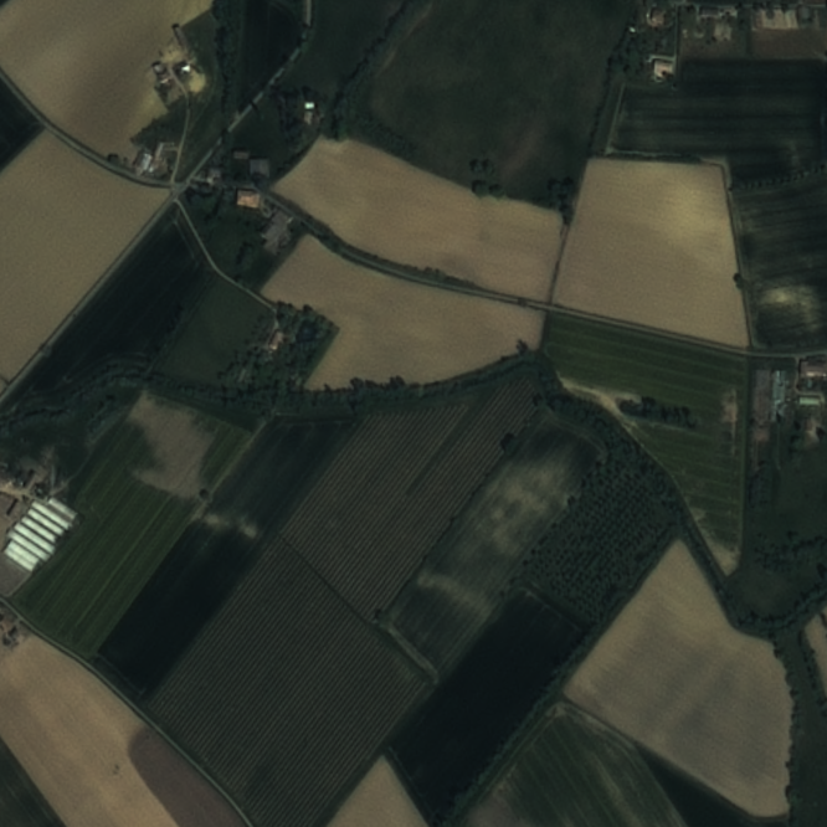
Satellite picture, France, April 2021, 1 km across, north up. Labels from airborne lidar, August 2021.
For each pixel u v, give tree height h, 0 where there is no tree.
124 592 0
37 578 0
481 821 0
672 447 0
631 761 0
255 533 0
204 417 0
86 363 0
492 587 0
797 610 10
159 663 0
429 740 0
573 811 0
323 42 0
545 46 0
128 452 0
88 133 0
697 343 0
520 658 0
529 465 0
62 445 0
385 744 0
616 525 15
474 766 0
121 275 0
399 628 0
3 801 0
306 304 0
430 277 9
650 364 0
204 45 0
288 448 0
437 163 0
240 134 0
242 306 0
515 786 0
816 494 0
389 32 9
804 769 0
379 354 0
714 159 0
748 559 0
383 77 0
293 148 13
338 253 13
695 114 0
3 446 0
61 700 0
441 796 0
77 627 0
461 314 0
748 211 0
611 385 0
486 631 0
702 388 0
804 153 0
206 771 0
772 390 0
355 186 0
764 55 0
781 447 0
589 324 0
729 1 0
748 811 0
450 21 0
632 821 0
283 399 16
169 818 0
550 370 0
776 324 0
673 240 0
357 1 0
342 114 11
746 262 0
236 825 0
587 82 0
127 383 9
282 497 0
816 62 0
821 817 0
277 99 7
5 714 0
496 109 0
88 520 0
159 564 0
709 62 0
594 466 0
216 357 0
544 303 0
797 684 7
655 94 0
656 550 12
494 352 0
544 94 0
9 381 0
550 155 0
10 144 0
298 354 11
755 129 0
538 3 0
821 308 0
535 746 0
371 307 0
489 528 0
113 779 0
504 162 0
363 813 0
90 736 0
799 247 0
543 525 0
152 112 0
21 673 0
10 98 0
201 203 20
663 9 12
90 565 0
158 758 0
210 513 0
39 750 0
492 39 0
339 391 7
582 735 0
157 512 0
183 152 0
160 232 0
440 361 0
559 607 0
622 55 13
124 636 0
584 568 14
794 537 12
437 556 0
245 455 0
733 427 0
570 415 22
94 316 0
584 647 15
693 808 0
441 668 0
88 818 0
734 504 0
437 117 0
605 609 12
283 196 9
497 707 0
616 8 0
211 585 0
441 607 0
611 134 0
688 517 7
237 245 0
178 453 0
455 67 0
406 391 24
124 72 0
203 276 0
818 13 0
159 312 0
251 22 0
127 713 0
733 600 8
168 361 0
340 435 0
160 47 0
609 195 0
